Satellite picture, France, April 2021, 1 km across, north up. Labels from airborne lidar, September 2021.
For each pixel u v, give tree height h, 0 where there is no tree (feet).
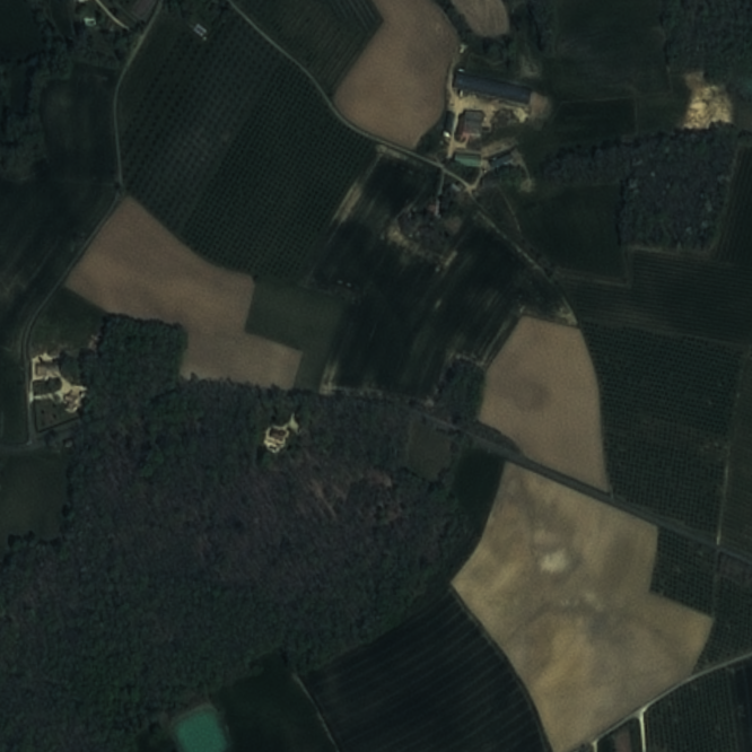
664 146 68
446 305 0
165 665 85
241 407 56
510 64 49
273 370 0
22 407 0
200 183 28
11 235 0
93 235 0
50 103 0
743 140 52
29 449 0
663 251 68
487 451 0
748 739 0
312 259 0
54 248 0
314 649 86
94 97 0
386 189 0
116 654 77
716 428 19
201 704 0
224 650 72
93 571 72
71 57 53
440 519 59
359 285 0
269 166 18
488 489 0
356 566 69
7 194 0
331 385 0
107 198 0
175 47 18
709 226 64
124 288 0
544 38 68
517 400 0
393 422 38
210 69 24
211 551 43
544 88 0
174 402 75
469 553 19
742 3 45
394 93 0
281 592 71
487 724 0
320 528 73
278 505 62
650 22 0
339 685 0
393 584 68
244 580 70
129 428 74
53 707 63
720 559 28
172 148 40
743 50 56
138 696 47
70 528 48
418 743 0
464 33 36
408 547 56
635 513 0
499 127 0
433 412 36
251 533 52
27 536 0
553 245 0
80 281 0
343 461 47
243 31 32
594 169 54
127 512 74
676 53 47
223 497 44
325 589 76
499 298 0
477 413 53
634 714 0
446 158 0
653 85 0
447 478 52
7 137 55
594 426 0
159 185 33
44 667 68
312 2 0
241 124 26
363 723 0
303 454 33
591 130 0
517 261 0
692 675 0
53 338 0
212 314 0
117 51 32
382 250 0
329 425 60
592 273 0
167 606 71
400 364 0
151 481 65
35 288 0
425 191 0
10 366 0
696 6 43
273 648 63
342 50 0
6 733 102
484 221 0
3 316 0
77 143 0
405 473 46
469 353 0
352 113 0
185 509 51
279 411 57
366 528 37
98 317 0
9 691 56
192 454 73
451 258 0
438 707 0
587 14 0
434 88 0
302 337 0
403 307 0
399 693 0
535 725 0
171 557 67
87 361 63
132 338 59
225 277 0
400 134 0
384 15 0
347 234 0
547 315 0
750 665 0
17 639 69
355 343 0
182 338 50
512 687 0
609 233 0
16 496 0
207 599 74
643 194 70
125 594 74
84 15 34
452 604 0
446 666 0
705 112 0
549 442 0
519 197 0
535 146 0
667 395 19
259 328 0
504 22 0
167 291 0
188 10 60
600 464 0
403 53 0
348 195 0
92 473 70
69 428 0
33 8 48
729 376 19
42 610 62
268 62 24
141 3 0
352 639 69
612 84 0
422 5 0
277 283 0
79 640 74
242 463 49
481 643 0
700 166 68
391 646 0
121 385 71
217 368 0
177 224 27
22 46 0
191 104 32
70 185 0
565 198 0
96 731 81
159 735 63
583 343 0
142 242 0
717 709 20
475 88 0
